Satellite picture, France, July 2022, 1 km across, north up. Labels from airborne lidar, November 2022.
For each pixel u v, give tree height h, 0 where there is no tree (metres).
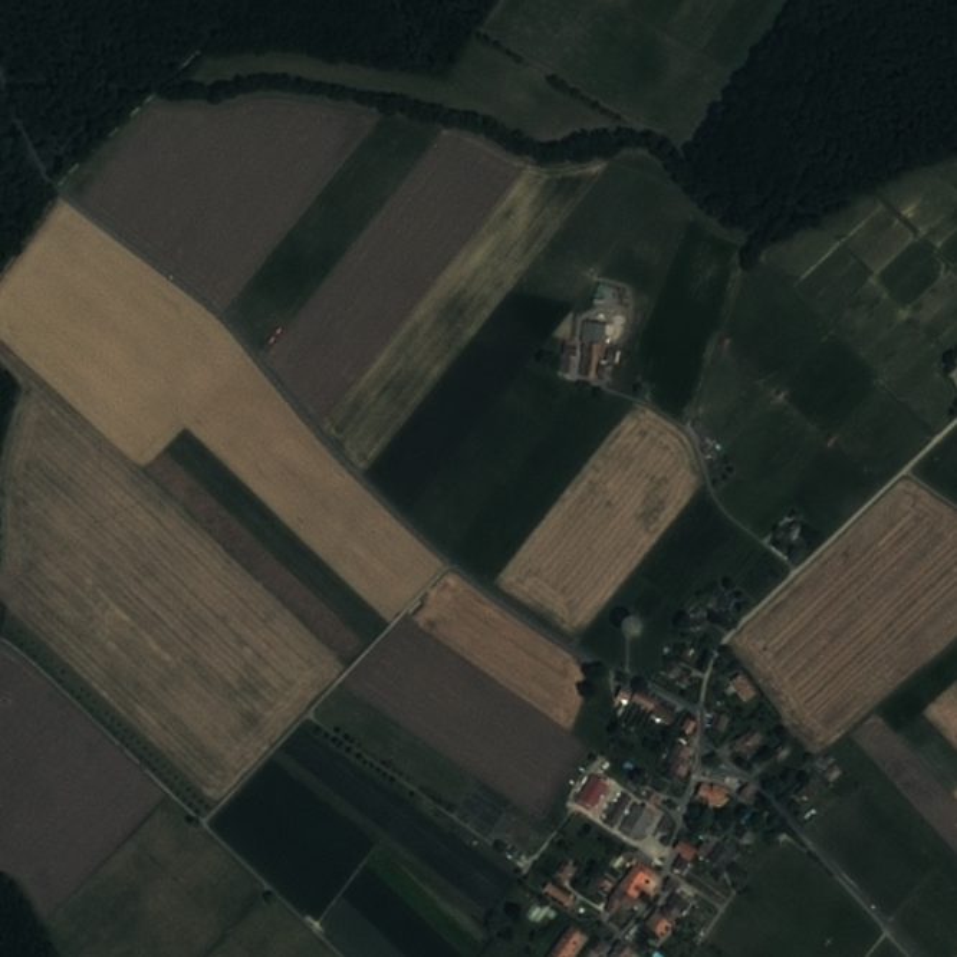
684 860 0
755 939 0
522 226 0
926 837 0
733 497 0
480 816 0
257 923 0
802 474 0
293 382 0
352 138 0
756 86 26
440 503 0
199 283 0
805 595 0
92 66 22
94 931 0
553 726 0
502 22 0
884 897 0
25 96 25
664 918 0
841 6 26
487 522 0
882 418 0
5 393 23
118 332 0
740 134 27
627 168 0
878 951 0
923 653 0
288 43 26
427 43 30
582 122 0
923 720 0
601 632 0
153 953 0
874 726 0
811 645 0
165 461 0
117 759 0
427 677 0
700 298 0
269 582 0
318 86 14
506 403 0
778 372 0
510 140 17
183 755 0
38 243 0
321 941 0
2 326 0
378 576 0
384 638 0
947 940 0
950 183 0
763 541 0
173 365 0
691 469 0
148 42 26
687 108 0
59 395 0
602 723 0
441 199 0
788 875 0
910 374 0
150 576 0
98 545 0
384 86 0
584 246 0
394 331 0
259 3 28
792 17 20
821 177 28
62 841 0
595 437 0
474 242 0
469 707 0
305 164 0
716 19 0
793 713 0
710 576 0
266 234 0
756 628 0
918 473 0
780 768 0
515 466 0
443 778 0
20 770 0
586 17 0
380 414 0
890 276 0
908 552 0
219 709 0
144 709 0
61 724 0
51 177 15
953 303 0
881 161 25
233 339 0
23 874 0
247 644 0
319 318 0
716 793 0
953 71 26
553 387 0
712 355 0
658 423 0
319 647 0
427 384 0
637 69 0
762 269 0
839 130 27
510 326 0
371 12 26
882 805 0
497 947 0
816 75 27
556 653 0
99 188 0
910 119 27
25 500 0
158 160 0
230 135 0
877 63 28
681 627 12
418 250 0
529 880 13
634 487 0
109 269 0
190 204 0
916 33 25
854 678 0
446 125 14
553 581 0
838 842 0
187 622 0
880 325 0
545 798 0
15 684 0
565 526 0
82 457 0
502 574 0
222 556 0
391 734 0
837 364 0
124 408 0
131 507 0
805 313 0
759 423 0
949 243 0
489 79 0
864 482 0
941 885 0
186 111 0
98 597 0
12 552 0
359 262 0
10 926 26
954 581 0
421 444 0
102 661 0
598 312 0
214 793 0
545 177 0
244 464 0
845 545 0
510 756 0
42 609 0
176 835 0
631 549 0
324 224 0
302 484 0
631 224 0
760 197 12
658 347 0
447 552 0
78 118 24
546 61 0
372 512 0
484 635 0
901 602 0
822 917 0
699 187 25
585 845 0
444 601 0
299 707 0
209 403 0
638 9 0
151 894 0
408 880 0
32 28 25
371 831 0
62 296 0
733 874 7
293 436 0
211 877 0
